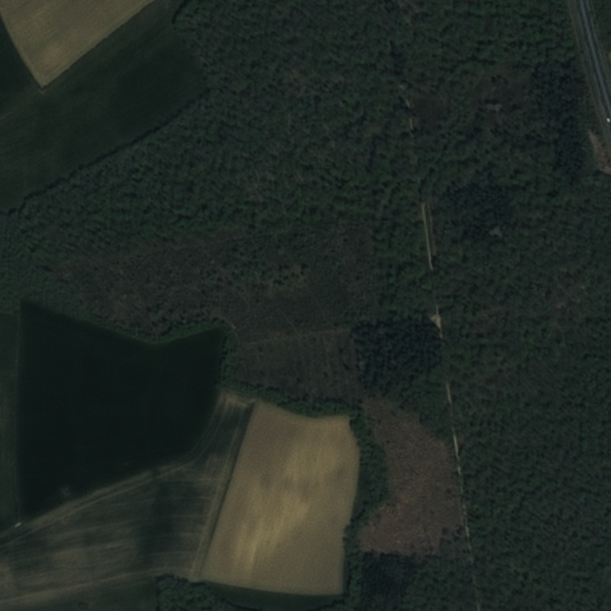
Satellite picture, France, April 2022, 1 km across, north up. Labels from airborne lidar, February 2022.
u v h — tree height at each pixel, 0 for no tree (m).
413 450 0
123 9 0
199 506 0
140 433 0
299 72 22
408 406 16
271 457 0
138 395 0
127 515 0
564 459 23
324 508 0
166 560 0
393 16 24
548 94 21
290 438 0
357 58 23
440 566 21
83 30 0
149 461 0
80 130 0
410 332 25
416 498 0
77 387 0
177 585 17
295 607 0
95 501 0
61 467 0
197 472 0
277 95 21
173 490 0
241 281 17
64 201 19
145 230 23
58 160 0
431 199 22
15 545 0
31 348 0
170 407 0
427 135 16
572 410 22
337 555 0
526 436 25
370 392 24
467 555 16
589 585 18
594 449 22
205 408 0
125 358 0
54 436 0
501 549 23
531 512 20
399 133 25
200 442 0
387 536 0
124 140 0
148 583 0
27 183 0
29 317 0
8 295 16
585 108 16
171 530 0
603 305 22
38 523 0
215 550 0
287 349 0
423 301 23
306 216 19
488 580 22
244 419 0
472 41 22
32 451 0
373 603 12
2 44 0
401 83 16
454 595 20
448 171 22
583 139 16
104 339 0
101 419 0
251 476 0
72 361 0
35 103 0
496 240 16
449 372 20
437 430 19
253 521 0
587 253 23
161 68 0
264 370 0
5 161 0
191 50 12
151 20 0
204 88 0
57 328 0
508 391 23
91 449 0
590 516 22
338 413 8
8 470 0
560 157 12
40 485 0
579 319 23
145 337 9
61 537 0
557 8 21
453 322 21
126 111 0
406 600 20
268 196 23
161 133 16
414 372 23
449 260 23
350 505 0
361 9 20
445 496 0
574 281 22
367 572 16
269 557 0
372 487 18
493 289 24
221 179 21
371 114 21
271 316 7
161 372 0
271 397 15
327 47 19
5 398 0
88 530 0
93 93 0
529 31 24
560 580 21
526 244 25
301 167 21
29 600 0
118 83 0
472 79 24
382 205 21
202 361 0
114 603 0
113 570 0
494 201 27
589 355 21
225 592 0
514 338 21
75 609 0
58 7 0
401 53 21
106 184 23
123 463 0
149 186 21
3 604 0
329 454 0
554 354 23
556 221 20
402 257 24
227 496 0
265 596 0
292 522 0
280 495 0
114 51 0
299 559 0
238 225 21
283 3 20
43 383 0
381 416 0
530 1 22
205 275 17
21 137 0
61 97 0
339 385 0
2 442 0
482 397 20
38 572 0
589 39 0
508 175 21
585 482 23
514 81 0
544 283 22
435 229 0
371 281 7
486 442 21
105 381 0
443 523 0
